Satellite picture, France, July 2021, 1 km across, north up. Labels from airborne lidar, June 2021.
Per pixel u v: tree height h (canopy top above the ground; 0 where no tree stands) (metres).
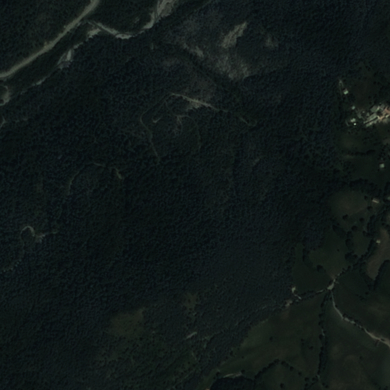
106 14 17
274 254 11
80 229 17
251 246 16
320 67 12
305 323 0
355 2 14
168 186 15
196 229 16
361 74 11
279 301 7
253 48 12
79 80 7
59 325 14
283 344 0
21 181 15
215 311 12
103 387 15
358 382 0
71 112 10
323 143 10
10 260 6
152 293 13
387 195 14
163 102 6
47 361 13
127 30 8
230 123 17
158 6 0
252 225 14
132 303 14
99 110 8
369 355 0
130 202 20
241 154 17
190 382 18
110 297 12
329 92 16
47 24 12
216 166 13
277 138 16
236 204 14
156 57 9
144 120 7
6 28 16
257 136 21
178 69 10
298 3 16
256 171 18
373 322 0
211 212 9
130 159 17
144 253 15
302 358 0
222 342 13
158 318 13
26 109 13
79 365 10
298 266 0
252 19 14
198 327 10
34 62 12
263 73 9
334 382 0
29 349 10
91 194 9
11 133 20
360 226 0
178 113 5
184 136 6
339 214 0
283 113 19
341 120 13
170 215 21
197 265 15
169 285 11
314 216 18
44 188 10
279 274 10
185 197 15
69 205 9
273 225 20
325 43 21
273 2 19
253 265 13
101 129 10
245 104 20
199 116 15
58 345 15
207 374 19
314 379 10
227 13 8
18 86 10
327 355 10
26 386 10
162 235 13
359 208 0
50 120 19
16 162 15
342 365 0
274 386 0
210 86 7
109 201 9
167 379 12
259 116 20
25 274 14
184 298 6
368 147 0
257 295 12
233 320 7
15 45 10
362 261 13
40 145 10
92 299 17
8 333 9
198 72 14
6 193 23
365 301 8
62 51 11
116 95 7
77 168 11
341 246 0
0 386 14
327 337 11
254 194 12
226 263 14
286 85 14
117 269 15
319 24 20
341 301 0
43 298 14
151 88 11
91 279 10
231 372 0
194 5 14
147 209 16
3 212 17
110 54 15
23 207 19
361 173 0
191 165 11
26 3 12
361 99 0
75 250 17
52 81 7
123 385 9
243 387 26
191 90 7
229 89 12
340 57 17
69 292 12
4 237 12
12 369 14
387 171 0
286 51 13
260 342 0
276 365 12
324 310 10
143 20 6
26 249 11
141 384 9
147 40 15
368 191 11
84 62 13
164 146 9
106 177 14
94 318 13
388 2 16
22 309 18
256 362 0
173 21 8
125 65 9
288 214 15
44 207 12
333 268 0
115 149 21
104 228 11
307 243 18
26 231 6
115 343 7
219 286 11
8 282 15
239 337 12
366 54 13
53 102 15
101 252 15
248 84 17
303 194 23
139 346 11
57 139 17
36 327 18
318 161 12
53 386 15
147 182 16
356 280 0
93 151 15
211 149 15
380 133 0
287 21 19
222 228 17
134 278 13
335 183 18
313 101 13
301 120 15
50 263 10
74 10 17
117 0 11
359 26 14
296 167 28
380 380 0
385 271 15
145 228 17
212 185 13
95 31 0
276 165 18
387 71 14
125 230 12
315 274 0
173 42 9
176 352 10
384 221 11
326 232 18
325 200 19
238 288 12
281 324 0
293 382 0
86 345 16
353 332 0
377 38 16
